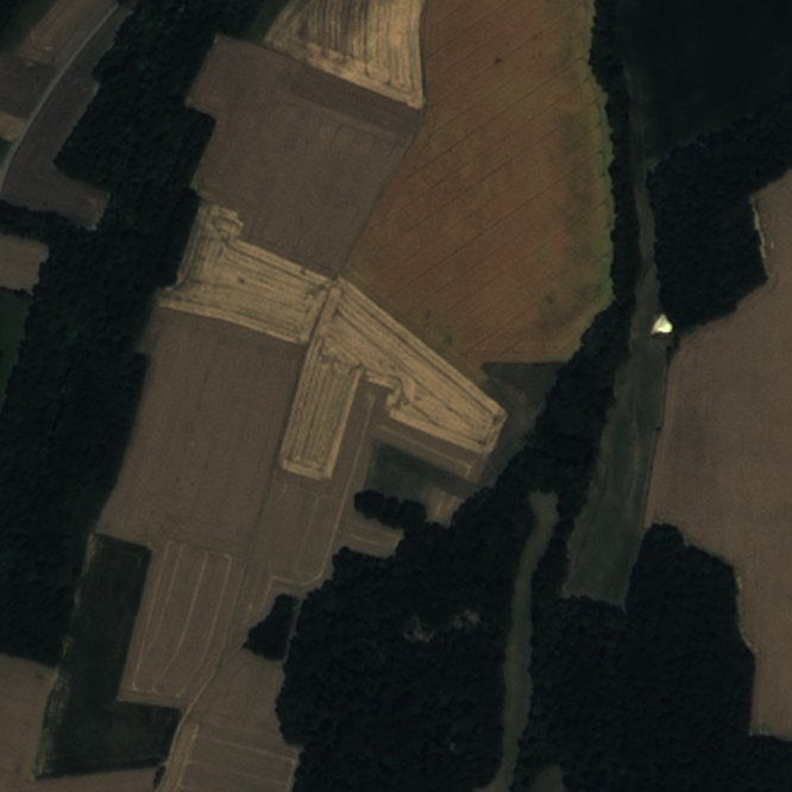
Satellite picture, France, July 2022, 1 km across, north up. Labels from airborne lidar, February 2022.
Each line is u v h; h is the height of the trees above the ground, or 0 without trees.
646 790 27
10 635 22
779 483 0
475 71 0
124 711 0
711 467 0
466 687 22
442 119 0
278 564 0
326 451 0
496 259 0
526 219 0
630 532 0
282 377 0
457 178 0
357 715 21
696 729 19
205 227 0
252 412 0
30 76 0
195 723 0
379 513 19
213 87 0
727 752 21
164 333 0
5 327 0
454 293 0
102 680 0
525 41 0
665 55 0
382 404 0
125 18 0
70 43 0
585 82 0
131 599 0
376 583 25
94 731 0
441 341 0
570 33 0
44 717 0
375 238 0
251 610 0
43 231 20
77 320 10
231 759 0
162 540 0
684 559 21
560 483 19
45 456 24
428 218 0
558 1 0
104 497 0
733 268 24
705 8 0
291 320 0
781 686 0
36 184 0
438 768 27
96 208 0
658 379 0
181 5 18
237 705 0
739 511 0
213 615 0
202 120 14
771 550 0
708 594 22
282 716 15
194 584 0
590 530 0
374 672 9
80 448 26
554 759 13
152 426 0
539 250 0
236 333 0
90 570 0
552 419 9
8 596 17
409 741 25
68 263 23
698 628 21
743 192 25
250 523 0
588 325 0
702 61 0
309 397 0
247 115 0
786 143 24
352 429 0
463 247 0
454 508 0
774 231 0
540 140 0
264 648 15
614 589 0
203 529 0
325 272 0
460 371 0
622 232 20
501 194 0
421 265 0
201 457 0
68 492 22
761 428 0
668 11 0
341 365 0
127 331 11
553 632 24
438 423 0
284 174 0
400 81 0
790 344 0
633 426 0
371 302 0
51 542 18
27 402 23
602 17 15
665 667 23
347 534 0
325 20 0
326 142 0
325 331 0
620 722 22
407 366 0
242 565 0
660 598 24
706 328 0
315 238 0
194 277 0
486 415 0
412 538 17
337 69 0
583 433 10
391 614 18
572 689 23
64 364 12
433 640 25
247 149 0
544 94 0
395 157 0
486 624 26
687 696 28
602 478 0
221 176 0
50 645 19
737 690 25
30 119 0
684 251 27
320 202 0
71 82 0
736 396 0
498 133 0
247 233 0
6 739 0
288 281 0
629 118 14
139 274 16
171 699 0
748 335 0
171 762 0
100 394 24
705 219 28
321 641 27
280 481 0
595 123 0
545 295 0
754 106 0
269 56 0
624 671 27
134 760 0
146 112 24
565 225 0
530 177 0
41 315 18
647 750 26
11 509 24
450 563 24
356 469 0
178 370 0
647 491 0
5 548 23
